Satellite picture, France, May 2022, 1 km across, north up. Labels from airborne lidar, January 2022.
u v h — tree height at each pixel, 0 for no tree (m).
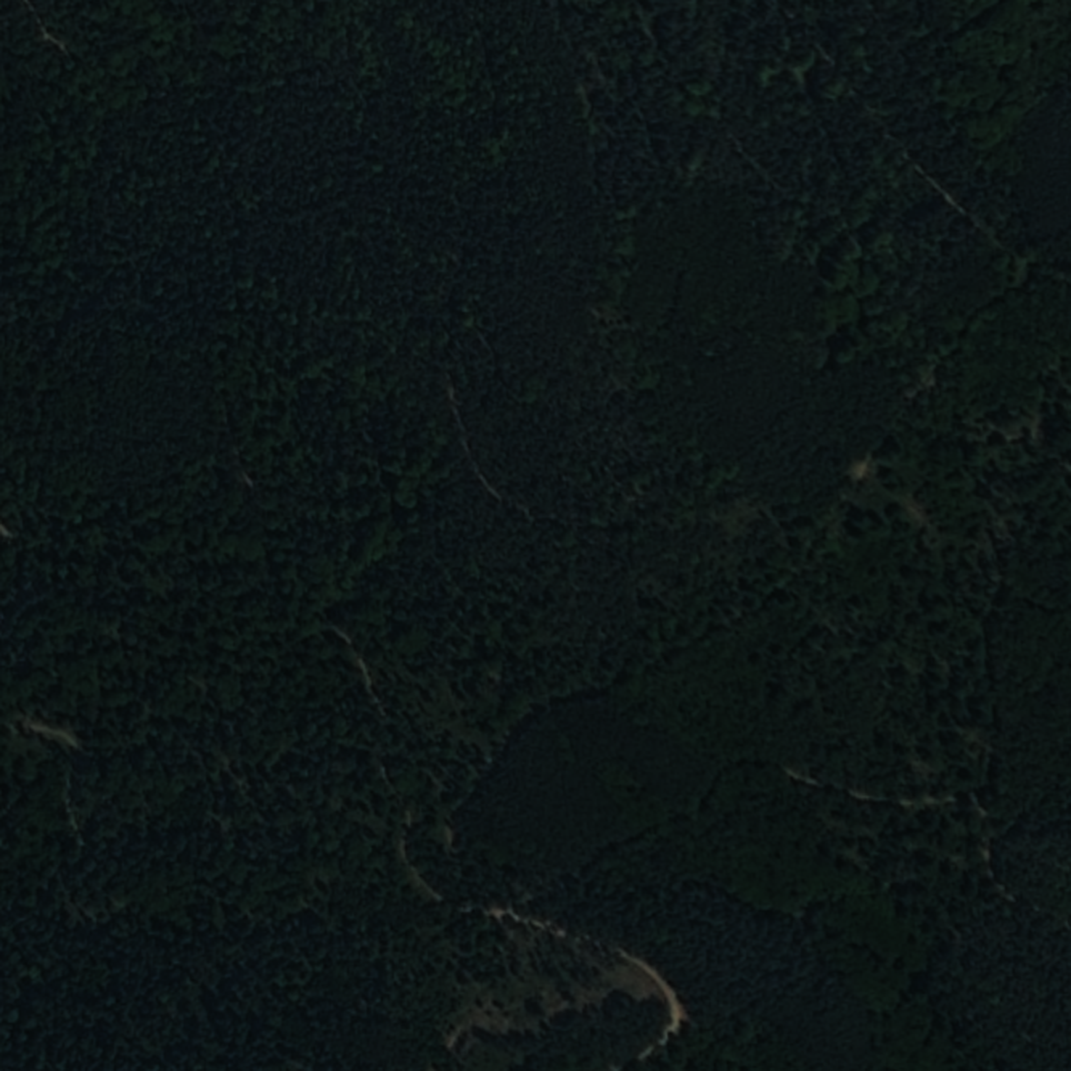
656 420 19
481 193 23
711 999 23
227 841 24
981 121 32
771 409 20
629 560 10
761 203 18
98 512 19
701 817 22
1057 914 18
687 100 30
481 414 21
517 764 18
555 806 21
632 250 15
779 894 26
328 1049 10
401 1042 10
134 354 20
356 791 16
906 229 29
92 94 23
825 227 29
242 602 31
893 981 16
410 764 22
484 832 16
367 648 24
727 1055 9
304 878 21
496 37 20
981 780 6
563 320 18
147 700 23
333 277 27
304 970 23
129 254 23
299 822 15
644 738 18
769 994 22
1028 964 23
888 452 34
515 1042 20
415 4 21
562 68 21
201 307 28
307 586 10
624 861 22
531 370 25
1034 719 21
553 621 11
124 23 25
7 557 28
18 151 30
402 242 27
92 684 28
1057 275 11
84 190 25
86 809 20
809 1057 18
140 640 29
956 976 28
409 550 29
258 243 22
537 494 24
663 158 30
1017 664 23
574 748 18
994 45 37
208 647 8
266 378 29
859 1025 24
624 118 25
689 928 30
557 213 18
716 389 22
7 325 21
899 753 22
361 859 16
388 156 27
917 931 14
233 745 22
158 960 32
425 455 30
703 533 10
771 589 11
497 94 23
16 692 27
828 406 18
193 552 30
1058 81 18
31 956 33
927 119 28
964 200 31
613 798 14
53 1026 33
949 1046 14
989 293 13
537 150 20
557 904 28
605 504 26
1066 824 31
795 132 24
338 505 28
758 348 20
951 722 23
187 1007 32
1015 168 24
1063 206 22
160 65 27
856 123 26
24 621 24
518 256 21
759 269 14
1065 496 9
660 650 9
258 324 16
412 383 15
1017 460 29
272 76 29
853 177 24
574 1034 16
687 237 15
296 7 23
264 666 25
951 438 8
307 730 23
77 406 19
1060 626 27
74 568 26
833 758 24
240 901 24
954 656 22
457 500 23
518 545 22
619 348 18
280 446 8
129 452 25
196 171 23
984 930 25
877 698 8
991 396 9
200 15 27
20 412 20
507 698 30
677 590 7
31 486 22
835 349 25
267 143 23
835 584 13
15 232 27
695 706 18
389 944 11
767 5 33
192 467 26
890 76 30
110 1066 29
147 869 22
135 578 27
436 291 23
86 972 13
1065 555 17
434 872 18
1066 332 9
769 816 25
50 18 18
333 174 27
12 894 13
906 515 17
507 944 17
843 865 30
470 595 27
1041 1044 25
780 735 14
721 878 26
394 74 21
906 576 31
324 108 23
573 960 22
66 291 21
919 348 16
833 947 23
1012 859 21
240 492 22
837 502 17
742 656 10
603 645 8
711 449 20
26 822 18
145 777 21
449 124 27
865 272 33
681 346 22
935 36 31
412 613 28
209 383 22
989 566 26
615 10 11
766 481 15
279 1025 13
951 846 9
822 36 15
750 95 25
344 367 27
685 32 28
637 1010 26
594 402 24
